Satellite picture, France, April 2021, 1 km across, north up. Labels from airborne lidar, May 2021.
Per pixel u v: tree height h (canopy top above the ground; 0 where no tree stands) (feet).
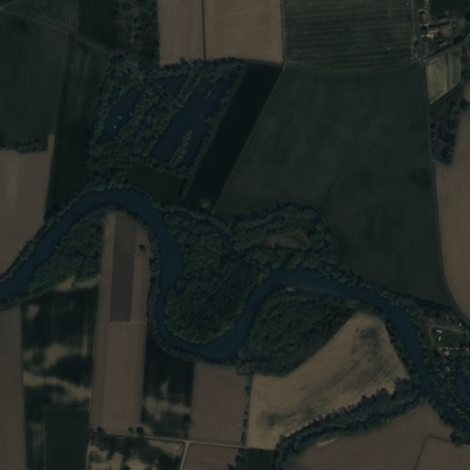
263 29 0
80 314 0
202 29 0
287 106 0
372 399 0
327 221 0
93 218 53
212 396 0
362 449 0
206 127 0
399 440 0
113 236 0
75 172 0
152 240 49
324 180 0
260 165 0
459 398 79
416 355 0
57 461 0
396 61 0
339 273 78
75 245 34
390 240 0
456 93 0
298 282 0
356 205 0
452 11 0
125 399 0
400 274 0
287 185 0
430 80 0
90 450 0
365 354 0
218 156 0
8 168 0
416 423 0
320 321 25
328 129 0
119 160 39
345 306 57
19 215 0
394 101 0
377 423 69
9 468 0
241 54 0
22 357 0
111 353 0
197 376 0
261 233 59
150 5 61
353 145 0
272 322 57
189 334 39
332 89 0
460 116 44
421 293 0
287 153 0
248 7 0
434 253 0
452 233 0
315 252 47
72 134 0
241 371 49
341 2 0
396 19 0
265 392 0
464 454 0
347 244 0
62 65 0
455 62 0
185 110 0
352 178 0
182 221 25
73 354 0
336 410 0
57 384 0
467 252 0
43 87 0
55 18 55
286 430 0
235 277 108
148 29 27
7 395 0
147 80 51
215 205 0
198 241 46
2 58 0
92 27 0
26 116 0
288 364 64
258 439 0
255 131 0
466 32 0
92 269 70
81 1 0
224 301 104
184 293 90
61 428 0
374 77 0
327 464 0
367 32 0
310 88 0
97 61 0
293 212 44
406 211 0
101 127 72
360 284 59
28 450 0
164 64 0
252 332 54
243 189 0
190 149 0
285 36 0
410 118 0
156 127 81
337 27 0
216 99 0
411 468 0
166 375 0
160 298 0
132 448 0
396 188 0
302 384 0
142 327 0
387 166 0
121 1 27
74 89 0
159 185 0
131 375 0
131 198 0
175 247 0
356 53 0
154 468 0
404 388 64
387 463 0
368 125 0
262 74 0
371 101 0
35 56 0
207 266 52
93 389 0
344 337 0
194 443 0
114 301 0
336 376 0
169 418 0
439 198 0
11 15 0
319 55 0
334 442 0
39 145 51
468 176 0
